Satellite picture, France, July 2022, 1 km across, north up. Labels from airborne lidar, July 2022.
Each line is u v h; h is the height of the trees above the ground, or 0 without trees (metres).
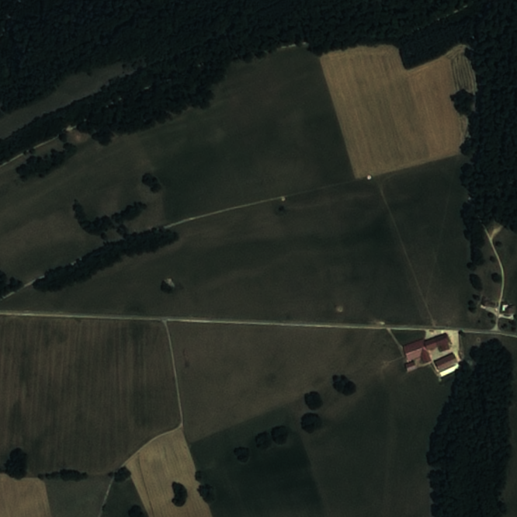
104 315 0
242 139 0
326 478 0
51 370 0
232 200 0
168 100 25
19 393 0
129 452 0
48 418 0
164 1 14
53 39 27
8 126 0
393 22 27
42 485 0
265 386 0
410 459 0
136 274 0
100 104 17
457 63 0
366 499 0
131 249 17
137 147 0
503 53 31
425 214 0
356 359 0
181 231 0
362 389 0
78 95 0
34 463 0
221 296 0
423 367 0
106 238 14
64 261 0
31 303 0
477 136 19
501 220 13
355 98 0
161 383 0
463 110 22
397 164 0
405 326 0
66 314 0
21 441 0
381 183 0
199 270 0
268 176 0
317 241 0
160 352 0
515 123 18
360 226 0
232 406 0
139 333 0
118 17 26
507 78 29
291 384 0
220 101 0
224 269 0
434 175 0
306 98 0
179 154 0
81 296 0
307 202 0
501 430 17
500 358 20
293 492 0
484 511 19
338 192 0
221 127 0
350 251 0
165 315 0
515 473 0
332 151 0
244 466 0
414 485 0
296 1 19
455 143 0
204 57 23
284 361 0
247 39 25
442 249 0
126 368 0
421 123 0
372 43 23
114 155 0
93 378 0
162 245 13
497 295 0
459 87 0
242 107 0
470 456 18
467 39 17
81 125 19
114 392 0
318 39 28
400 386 0
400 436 0
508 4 32
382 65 0
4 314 0
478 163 24
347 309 0
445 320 0
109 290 0
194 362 0
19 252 0
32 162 19
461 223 0
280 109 0
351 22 28
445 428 24
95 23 33
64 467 0
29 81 22
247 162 0
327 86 0
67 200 0
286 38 27
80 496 0
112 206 0
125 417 0
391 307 0
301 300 0
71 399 0
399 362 0
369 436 0
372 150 0
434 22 9
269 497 0
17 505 0
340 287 0
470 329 0
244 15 13
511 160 22
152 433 0
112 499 0
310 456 0
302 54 0
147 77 19
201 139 0
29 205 0
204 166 0
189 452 0
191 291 0
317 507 0
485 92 29
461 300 0
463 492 16
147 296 0
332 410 0
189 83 26
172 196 0
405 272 0
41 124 9
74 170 0
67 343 0
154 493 0
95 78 0
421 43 19
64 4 26
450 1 30
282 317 0
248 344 0
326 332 0
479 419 13
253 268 0
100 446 0
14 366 0
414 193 0
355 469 0
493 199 24
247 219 0
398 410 0
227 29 10
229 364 0
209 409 0
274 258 0
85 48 27
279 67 0
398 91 0
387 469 0
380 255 0
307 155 0
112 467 0
